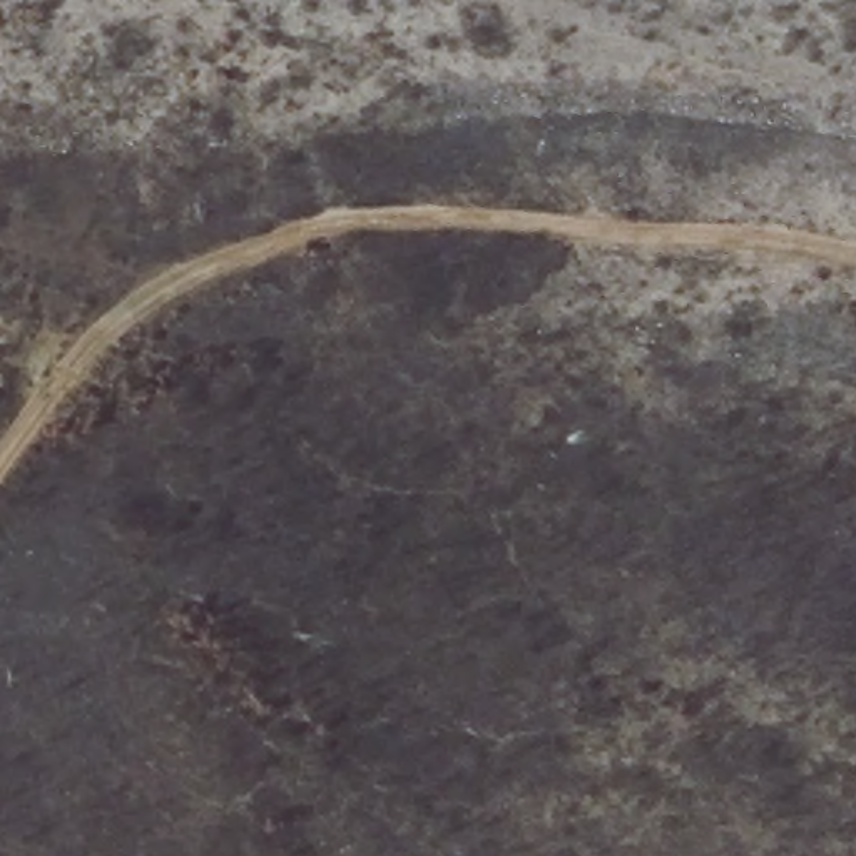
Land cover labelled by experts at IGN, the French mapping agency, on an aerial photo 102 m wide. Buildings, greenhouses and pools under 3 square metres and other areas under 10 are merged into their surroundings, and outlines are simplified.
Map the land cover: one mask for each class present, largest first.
<instances>
[{"label":"bare soil","instance_id":"1","mask_svg":"<svg viewBox=\"0 0 856 856\"><path fill-rule=\"evenodd\" d=\"M448 204L542 214L605 211L622 221L645 224H779L809 234H816L819 221H826L839 234H846V241H856V0H0V438L23 408V391L30 385V351L43 348L57 361H64L80 331H87L100 314L120 304L137 284H144L161 268L201 257L224 244L264 237L288 221L314 217L331 207ZM0 856H856V264L819 268L806 281H796L789 291H782L766 284V274L759 268L739 264V257H732L722 247H699L689 254H652L625 244H592L585 237L568 241L545 231L471 227H354L334 237H314L304 247L284 251L264 264L211 278L201 288L177 294L174 301H164L147 321L127 328L120 341L110 344L104 358L90 368L87 381L77 385L57 405V418L40 428V438L20 455V461L0 482Z\"/></svg>","mask_w":856,"mask_h":856},{"label":"pervious surface","instance_id":"2","mask_svg":"<svg viewBox=\"0 0 856 856\"><path fill-rule=\"evenodd\" d=\"M354 227H471L545 231L568 241L585 237L592 244H625L652 254H689L699 247H722L732 257H739V264L759 268L766 274V284L782 291H789L796 281H806L819 268L856 264V241H846V234H839L826 221H819L816 234H809L779 224H645L622 221L605 211L542 214L448 204L331 207L314 217L288 221L264 237L224 244L201 257L161 268L144 284H137L120 304L100 314L87 331H80L64 361H57L43 348L30 351V385L23 391V408L0 438V482L20 461V455L40 438V428L57 418V405L77 385L87 381L90 368L104 358L110 344L120 341L127 328L147 321L164 301H174L177 294L201 288L211 278L264 264L284 251L304 247L314 237H334Z\"/></svg>","mask_w":856,"mask_h":856}]
</instances>
